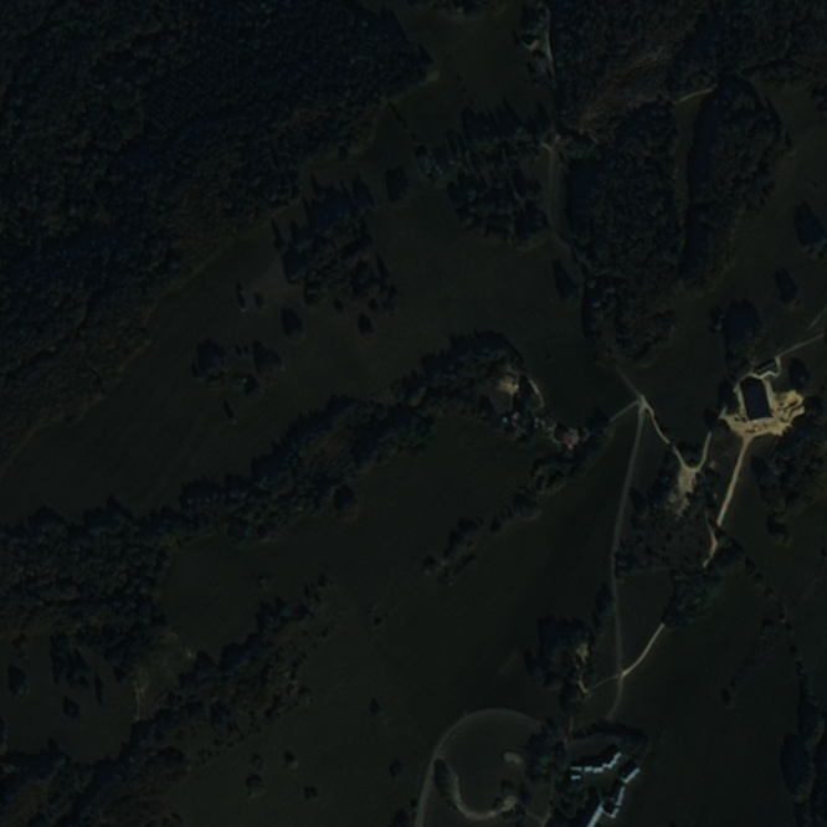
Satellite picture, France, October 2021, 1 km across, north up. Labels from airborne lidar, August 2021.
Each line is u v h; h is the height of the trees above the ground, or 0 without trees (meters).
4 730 10
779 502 21
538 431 19
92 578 15
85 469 0
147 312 19
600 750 0
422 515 0
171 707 10
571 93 13
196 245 22
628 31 13
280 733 0
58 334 22
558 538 0
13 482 0
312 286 16
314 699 6
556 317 0
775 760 0
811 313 0
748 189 20
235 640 0
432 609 0
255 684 14
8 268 9
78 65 26
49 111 25
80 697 0
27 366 23
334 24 23
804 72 16
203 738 0
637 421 0
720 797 0
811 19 15
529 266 0
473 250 0
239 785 0
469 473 0
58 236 9
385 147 0
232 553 0
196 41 21
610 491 0
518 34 0
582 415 0
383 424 9
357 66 20
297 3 26
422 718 0
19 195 15
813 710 13
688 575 10
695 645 0
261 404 0
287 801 0
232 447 0
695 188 15
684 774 0
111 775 16
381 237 0
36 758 0
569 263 0
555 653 20
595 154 13
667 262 16
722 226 22
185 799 0
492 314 0
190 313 0
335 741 0
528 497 10
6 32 24
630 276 21
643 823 0
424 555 0
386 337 0
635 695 0
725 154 25
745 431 0
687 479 0
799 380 16
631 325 21
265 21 20
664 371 0
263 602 0
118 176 22
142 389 0
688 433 0
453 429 0
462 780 0
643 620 0
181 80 29
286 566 0
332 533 0
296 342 15
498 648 0
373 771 0
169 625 10
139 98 22
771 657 0
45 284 23
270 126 20
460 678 0
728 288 0
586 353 0
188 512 14
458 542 11
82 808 20
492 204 19
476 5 13
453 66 0
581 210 34
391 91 17
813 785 12
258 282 0
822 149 0
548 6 0
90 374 18
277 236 0
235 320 0
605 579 0
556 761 15
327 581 8
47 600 18
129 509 0
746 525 0
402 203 17
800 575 0
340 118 20
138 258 16
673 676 0
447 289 0
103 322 21
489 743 0
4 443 17
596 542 0
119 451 0
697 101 0
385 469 0
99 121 20
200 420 0
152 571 15
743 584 0
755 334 20
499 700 0
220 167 27
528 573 0
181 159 26
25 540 11
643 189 21
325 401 0
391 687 0
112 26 26
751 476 0
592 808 0
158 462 0
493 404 0
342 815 0
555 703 0
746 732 0
